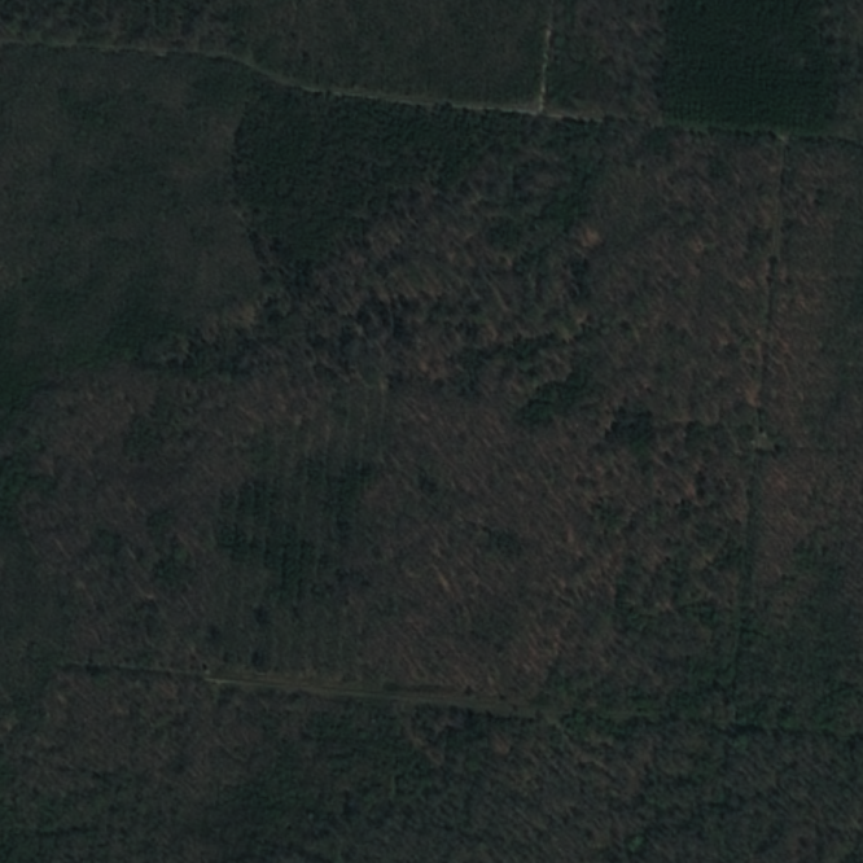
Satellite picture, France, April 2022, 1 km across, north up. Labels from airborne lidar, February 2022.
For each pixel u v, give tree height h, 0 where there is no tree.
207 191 13
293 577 17
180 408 12
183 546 22
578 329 25
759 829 28
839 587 22
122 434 14
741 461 24
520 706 0
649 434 17
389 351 18
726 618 25
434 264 28
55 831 22
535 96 10
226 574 20
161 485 21
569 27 23
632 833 35
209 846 13
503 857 32
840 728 21
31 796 24
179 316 0
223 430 20
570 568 27
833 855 34
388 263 22
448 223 27
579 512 25
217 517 22
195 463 19
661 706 25
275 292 24
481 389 23
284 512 16
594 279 22
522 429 19
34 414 20
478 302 29
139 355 15
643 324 24
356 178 11
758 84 17
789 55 14
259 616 18
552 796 34
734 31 10
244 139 8
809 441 17
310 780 10
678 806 33
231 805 13
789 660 17
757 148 20
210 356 9
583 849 32
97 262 17
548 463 21
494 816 33
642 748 34
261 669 22
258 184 13
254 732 18
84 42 8
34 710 17
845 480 25
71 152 0
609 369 25
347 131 13
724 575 20
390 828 31
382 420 13
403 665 0
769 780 34
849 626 19
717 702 31
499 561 25
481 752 29
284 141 13
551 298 27
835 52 24
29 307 0
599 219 26
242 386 26
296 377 21
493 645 25
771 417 19
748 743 33
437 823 32
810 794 35
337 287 24
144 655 19
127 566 24
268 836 12
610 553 28
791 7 15
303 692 0
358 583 19
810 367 18
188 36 13
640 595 25
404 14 0
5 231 0
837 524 25
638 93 22
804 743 25
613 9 26
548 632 0
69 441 22
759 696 18
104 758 20
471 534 23
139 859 28
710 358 22
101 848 19
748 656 20
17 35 24
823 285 0
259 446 21
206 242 14
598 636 31
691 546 19
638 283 25
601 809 34
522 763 28
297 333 9
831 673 18
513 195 27
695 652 29
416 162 12
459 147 12
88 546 20
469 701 0
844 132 24
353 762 11
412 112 8
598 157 27
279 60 0
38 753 22
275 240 6
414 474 24
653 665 27
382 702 0
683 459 25
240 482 19
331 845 32
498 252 28
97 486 19
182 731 21
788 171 0
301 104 15
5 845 15
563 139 16
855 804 33
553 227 25
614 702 25
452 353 26
